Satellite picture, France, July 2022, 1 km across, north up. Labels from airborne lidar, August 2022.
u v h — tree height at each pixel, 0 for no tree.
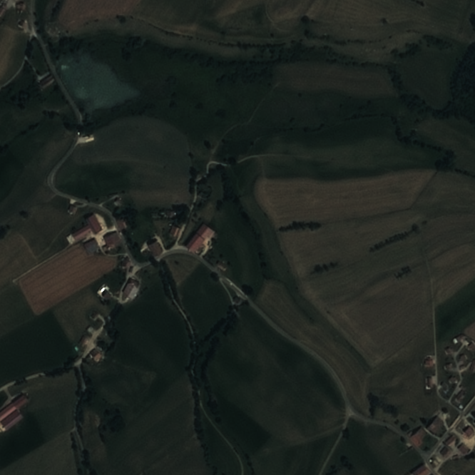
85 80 0
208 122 0
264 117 0
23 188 0
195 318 0
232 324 21
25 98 18
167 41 0
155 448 0
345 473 0
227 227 0
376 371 0
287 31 0
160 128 0
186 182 0
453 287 0
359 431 0
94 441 0
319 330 0
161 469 0
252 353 0
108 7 0
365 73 0
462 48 0
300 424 0
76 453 0
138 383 0
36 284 0
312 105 0
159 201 0
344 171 0
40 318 0
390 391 0
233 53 0
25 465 0
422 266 0
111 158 0
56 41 0
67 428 0
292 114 0
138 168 0
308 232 0
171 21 0
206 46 0
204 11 0
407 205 0
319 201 0
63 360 0
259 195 0
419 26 0
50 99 0
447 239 0
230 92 0
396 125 14
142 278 0
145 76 0
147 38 0
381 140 0
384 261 0
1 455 0
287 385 0
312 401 0
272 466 0
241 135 0
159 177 0
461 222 0
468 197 0
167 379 0
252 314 0
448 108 6
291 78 0
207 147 12
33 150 0
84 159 0
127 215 7
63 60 0
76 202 0
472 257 0
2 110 0
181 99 0
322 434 0
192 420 0
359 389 0
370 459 0
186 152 0
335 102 0
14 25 0
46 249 0
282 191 0
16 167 0
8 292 0
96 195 0
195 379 15
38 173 0
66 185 0
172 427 0
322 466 0
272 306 0
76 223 0
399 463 0
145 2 0
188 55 7
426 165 0
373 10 0
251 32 0
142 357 0
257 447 0
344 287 0
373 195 0
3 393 0
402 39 0
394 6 0
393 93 0
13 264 0
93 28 0
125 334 0
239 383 0
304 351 0
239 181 0
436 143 0
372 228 0
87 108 0
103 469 0
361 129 0
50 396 0
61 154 0
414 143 7
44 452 0
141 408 0
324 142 0
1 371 0
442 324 0
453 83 7
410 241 0
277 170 0
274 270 0
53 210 0
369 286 0
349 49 0
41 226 0
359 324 0
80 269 0
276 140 0
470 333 0
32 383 0
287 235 0
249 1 0
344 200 0
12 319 0
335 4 0
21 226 0
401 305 0
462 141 0
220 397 0
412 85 0
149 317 0
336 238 0
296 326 0
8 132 0
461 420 0
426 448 7
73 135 0
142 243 0
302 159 0
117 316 16
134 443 0
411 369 0
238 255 0
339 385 0
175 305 11
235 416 0
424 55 0
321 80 0
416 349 0
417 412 0
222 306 0
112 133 0
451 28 0
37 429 0
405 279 0
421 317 0
